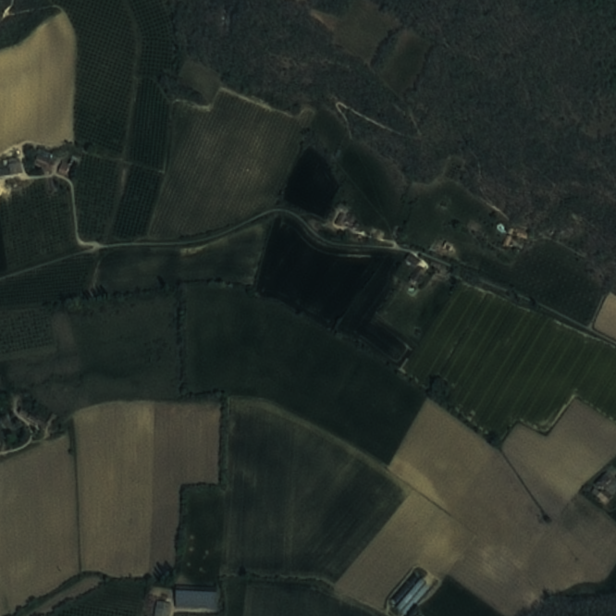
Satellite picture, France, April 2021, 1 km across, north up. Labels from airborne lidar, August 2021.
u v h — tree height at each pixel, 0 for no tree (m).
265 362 0
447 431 0
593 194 9
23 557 0
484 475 0
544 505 0
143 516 0
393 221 0
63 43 0
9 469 0
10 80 0
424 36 18
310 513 0
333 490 0
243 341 0
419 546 0
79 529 0
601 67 11
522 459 0
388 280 0
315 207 0
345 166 0
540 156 12
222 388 0
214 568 0
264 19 15
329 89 15
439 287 0
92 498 0
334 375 0
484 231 0
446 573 0
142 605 0
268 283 0
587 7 9
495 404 0
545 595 0
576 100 9
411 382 8
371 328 0
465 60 15
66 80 0
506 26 18
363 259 0
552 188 6
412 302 0
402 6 22
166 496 0
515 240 11
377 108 8
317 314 0
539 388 0
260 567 0
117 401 0
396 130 8
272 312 0
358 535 0
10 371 0
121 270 0
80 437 0
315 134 7
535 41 16
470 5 20
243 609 0
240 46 7
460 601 0
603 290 9
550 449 0
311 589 0
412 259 0
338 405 0
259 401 0
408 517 0
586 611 17
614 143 8
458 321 0
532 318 0
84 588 0
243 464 0
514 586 0
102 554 0
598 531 0
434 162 12
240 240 0
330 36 15
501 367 0
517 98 15
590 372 0
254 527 0
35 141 0
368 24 0
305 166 0
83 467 0
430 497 0
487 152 12
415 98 11
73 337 0
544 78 10
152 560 0
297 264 0
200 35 12
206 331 0
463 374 0
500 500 0
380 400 0
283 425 0
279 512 0
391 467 0
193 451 0
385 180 0
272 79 6
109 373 0
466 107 12
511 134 15
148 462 0
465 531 0
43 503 0
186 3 14
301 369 0
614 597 13
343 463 0
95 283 0
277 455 0
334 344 0
